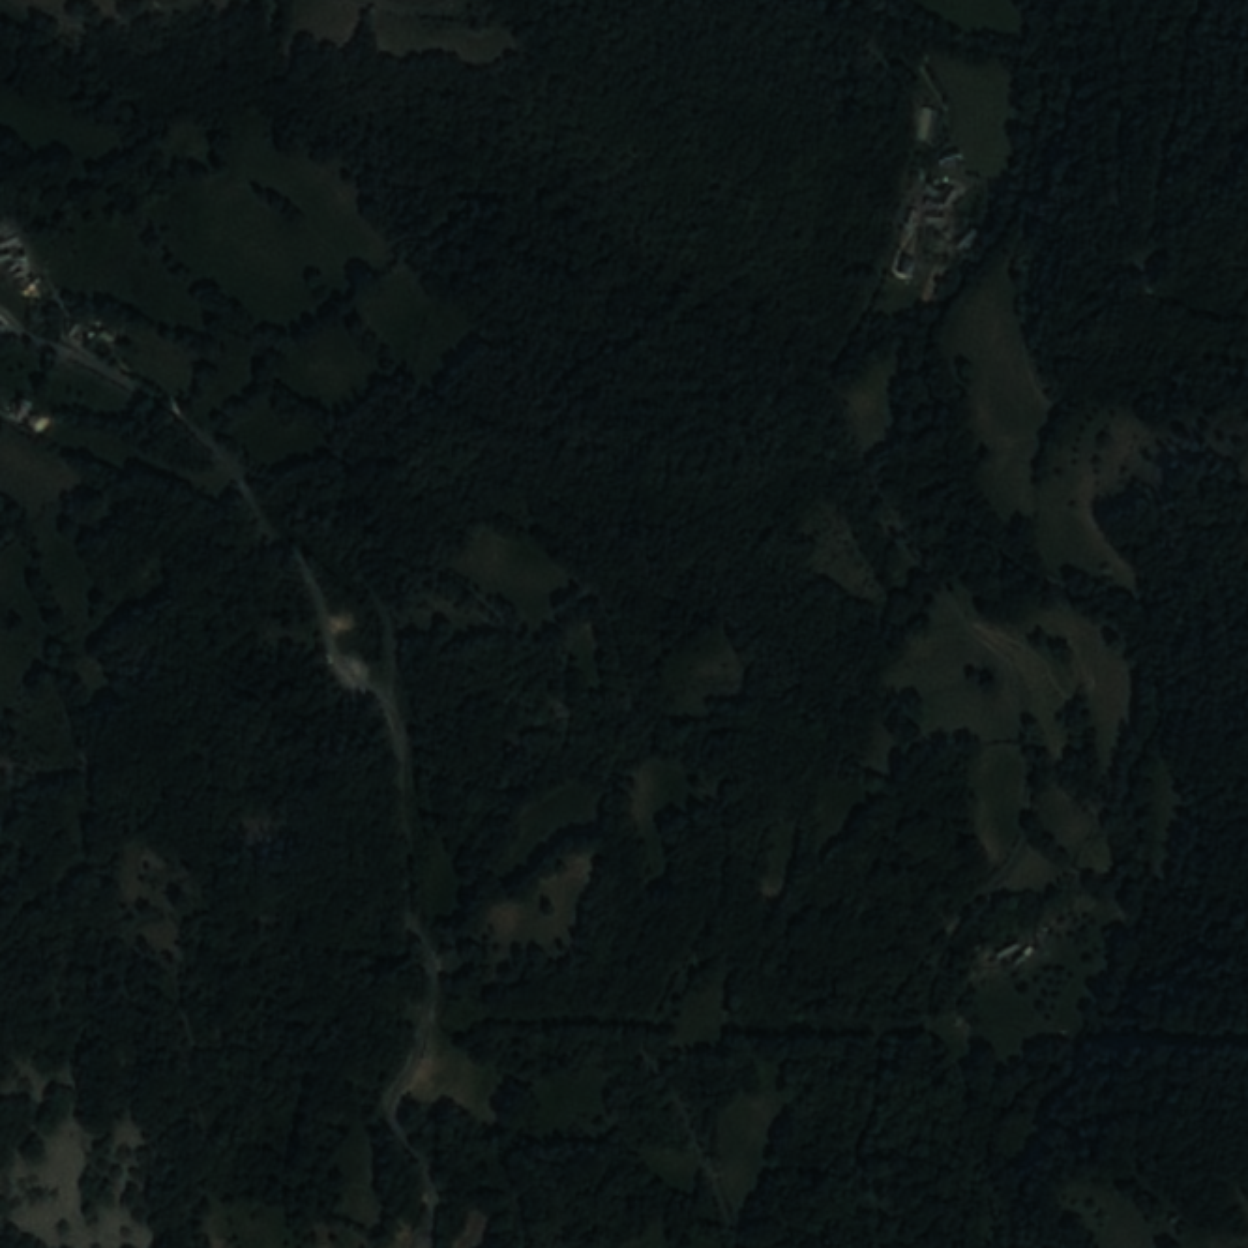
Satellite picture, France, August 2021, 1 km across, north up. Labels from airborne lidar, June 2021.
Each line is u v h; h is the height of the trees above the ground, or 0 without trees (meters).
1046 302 17
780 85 13
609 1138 9
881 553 20
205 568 24
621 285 18
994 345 0
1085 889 8
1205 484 18
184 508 20
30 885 23
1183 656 23
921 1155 28
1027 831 15
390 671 0
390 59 13
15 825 18
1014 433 0
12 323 0
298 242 0
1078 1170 23
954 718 0
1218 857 25
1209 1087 22
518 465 17
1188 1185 29
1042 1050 18
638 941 24
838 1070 23
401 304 0
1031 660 0
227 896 23
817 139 12
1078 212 17
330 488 19
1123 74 26
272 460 0
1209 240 13
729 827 18
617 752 14
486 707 23
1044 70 20
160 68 16
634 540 32
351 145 19
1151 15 24
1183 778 20
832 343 14
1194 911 26
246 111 16
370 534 17
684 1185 0
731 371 20
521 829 9
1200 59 18
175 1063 13
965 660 0
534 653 13
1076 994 0
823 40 21
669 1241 13
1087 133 21
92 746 22
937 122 8
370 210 16
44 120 0
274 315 0
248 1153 20
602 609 18
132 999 10
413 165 23
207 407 0
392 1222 17
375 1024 22
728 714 15
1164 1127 27
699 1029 0
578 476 21
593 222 21
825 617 24
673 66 16
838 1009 16
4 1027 19
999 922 25
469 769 21
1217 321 21
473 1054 16
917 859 26
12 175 22
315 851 26
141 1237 0
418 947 16
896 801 19
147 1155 10
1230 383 15
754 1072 22
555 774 19
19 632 12
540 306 16
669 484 22
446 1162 17
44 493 0
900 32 29
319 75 22
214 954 17
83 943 15
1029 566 21
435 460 17
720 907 26
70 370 0
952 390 22
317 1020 21
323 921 31
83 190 18
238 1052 18
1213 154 20
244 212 0
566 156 22
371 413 20
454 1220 18
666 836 18
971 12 0
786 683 18
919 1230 27
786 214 20
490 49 0
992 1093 22
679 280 12
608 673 17
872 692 20
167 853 17
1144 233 17
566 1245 12
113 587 18
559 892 0
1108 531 25
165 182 20
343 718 9
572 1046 25
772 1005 23
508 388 21
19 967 21
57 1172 0
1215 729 19
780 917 27
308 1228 20
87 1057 21
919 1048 28
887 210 16
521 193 25
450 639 13
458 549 18
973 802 13
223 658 11
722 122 14
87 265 0
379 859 26
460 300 22
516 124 17
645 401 9
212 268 0
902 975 22
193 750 20
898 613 13
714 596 16
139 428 19
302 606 12
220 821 22
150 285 0
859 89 23
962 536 32
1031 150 19
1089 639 0
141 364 0
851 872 18
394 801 26
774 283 14
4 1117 19
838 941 28
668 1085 16
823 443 19
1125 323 17
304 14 0
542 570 0
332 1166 30
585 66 17
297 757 24
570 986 30
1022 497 0
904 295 0
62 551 0
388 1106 0
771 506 20
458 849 15
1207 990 27
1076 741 10
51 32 19
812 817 15
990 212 10
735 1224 7
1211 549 17
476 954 20
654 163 15
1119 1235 0
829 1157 26
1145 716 22
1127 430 0
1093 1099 31
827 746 21
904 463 23
